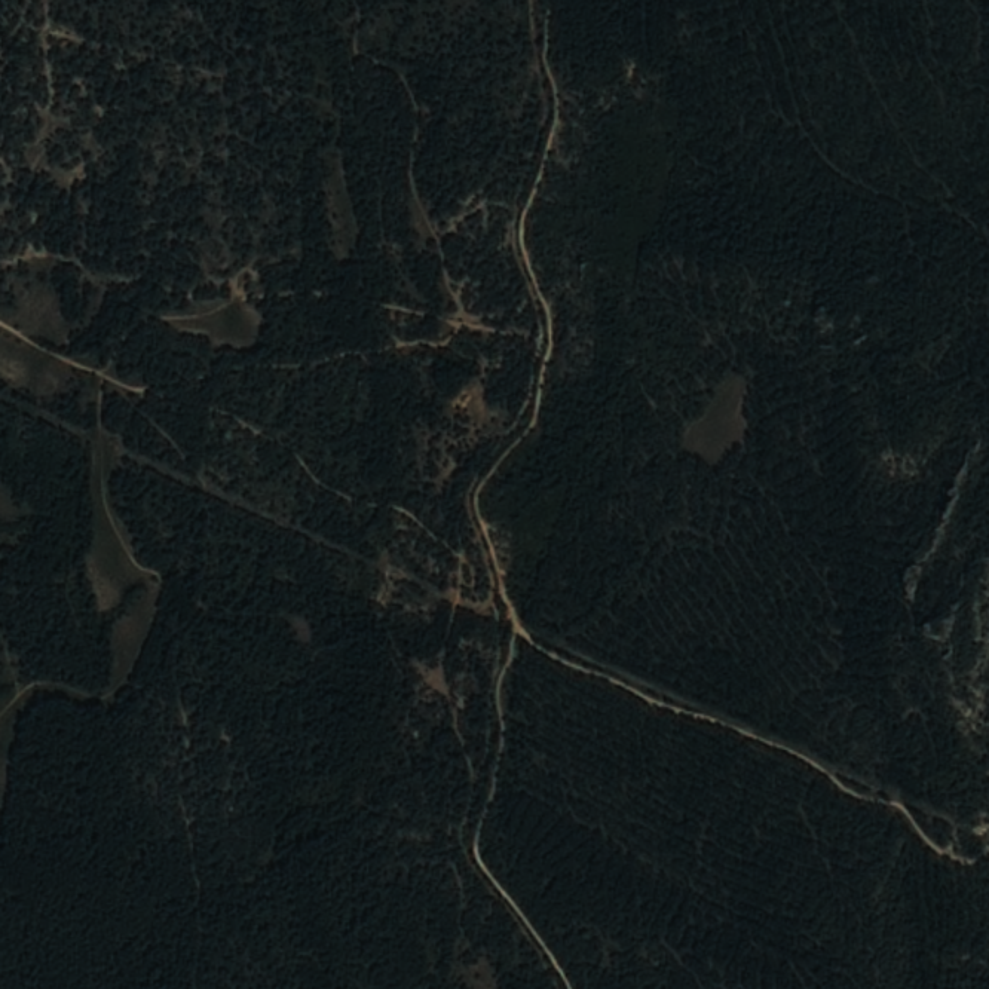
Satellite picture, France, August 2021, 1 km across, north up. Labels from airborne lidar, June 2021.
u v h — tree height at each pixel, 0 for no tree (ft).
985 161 21
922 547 21
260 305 21
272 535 23
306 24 20
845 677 46
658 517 45
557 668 35
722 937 43
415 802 22
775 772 32
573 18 26
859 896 33
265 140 29
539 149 25
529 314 22
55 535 26
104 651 20
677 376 41
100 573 0
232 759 30
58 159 18
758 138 20
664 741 37
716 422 0
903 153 22
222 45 32
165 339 32
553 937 24
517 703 38
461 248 22
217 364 28
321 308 33
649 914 26
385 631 32
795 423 33
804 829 36
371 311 27
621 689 29
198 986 25
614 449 36
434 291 21
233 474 24
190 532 31
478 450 21
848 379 22
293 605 30
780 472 46
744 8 41
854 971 31
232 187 19
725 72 34
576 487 25
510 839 20
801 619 37
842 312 18
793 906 27
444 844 25
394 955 23
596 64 25
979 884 27
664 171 0
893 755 25
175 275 20
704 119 33
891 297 24
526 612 42
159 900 40
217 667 22
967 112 20
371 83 24
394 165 26
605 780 36
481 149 23
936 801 38
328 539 27
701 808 29
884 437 21
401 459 20
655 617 33
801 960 43
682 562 39
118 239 39
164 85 21
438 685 0
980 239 23
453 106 22
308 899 21
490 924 29
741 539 37
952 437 23
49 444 44
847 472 39
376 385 37
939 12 20
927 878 43
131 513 31
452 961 28
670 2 35
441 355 25
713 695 37
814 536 52
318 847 43
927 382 23
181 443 28
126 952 38
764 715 38
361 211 23
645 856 37
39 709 50
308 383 28
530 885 25
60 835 41
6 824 39
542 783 38
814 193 22
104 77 25
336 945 22
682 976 33
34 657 47
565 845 40
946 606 28
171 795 36
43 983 33
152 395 37
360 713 27
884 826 27
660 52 30
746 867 40
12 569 37
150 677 30
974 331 34
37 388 0
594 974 26
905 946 19
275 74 32
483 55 24
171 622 31
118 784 35
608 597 54
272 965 27
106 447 0
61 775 27
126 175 26
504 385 24
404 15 23
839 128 23
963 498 31
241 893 35
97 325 20
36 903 39
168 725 28
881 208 26
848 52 31
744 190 35
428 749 29
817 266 32
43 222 27
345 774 22
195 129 23
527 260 0
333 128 33
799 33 37
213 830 36
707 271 34
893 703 39
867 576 38
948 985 18
